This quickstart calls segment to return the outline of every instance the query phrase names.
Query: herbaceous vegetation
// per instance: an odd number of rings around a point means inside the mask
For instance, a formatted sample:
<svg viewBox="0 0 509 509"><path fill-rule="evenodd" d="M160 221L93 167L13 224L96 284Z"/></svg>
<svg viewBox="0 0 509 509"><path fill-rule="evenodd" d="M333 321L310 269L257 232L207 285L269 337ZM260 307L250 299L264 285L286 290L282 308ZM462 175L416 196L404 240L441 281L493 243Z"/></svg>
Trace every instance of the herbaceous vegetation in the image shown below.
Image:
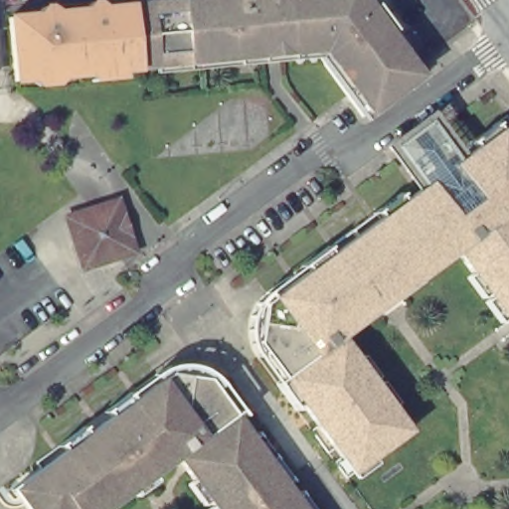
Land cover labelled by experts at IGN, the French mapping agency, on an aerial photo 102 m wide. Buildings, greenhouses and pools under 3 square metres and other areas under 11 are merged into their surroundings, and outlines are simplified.
<svg viewBox="0 0 509 509"><path fill-rule="evenodd" d="M408 296L406 304L408 320L416 326L418 338L433 354L433 366L437 370L451 368L459 361L459 356L465 350L481 342L499 324L499 320L483 302L483 298L479 298L479 294L469 284L469 270L465 268L463 260L455 260L451 266L435 274L418 292Z"/></svg>
<svg viewBox="0 0 509 509"><path fill-rule="evenodd" d="M119 372L119 376L97 394L91 394L89 398L84 396L82 400L87 402L93 414L111 396L129 388L131 384L135 386L135 390L139 390L151 378L155 378L155 374L153 364L147 356L141 360L131 370Z"/></svg>
<svg viewBox="0 0 509 509"><path fill-rule="evenodd" d="M458 113L475 139L493 131L503 121L509 125L509 109L503 111L497 103L497 97L493 97L487 103L475 99Z"/></svg>
<svg viewBox="0 0 509 509"><path fill-rule="evenodd" d="M340 211L328 215L326 223L318 223L314 231L311 230L253 276L266 290L276 290L302 264L312 262L324 251L332 247L346 249L348 245L352 245L356 239L348 237L348 231L356 227L354 221L370 217L372 211L386 209L386 199L390 199L404 183L410 183L404 177L398 163L398 171L392 177L370 189L366 195L356 195L346 201L346 205Z"/></svg>
<svg viewBox="0 0 509 509"><path fill-rule="evenodd" d="M70 119L70 115L78 113L91 137L97 141L101 151L109 157L109 161L117 167L121 175L129 165L139 165L139 179L143 187L163 207L167 207L167 221L177 221L191 209L195 209L199 203L203 203L207 197L211 197L215 191L223 189L235 177L253 167L256 161L268 155L272 149L276 149L280 143L284 143L290 137L290 133L282 125L284 117L274 109L272 103L268 103L266 93L262 93L260 89L249 89L247 85L239 84L241 87L236 91L189 91L181 95L167 95L163 99L153 101L145 99L141 80L135 76L131 80L117 82L93 82L91 78L84 78L72 80L58 87L44 87L16 82L12 62L2 68L2 72L8 78L10 93L22 95L32 103L34 109L44 111L56 109L56 115L66 121ZM177 139L185 137L191 131L193 123L201 123L209 115L213 115L219 109L221 101L241 97L254 103L262 103L266 107L266 113L270 115L268 135L256 147L227 153L163 157L161 151L165 149L165 145L173 145Z"/></svg>
<svg viewBox="0 0 509 509"><path fill-rule="evenodd" d="M318 181L332 183L334 195L340 195L344 191L342 179L336 171L326 167L318 171Z"/></svg>
<svg viewBox="0 0 509 509"><path fill-rule="evenodd" d="M175 485L175 499L181 495L193 495L191 479L185 473Z"/></svg>
<svg viewBox="0 0 509 509"><path fill-rule="evenodd" d="M64 449L64 443L72 439L76 425L87 418L82 414L80 406L62 416L50 413L46 408L42 408L40 412L34 453L30 465L26 465L26 473L34 473L36 465L50 451Z"/></svg>
<svg viewBox="0 0 509 509"><path fill-rule="evenodd" d="M268 368L268 364L256 358L249 358L249 362L253 366L254 374L264 384L266 392L270 394L278 388L278 380Z"/></svg>
<svg viewBox="0 0 509 509"><path fill-rule="evenodd" d="M348 479L344 491L356 509L410 509L418 493L422 493L425 487L437 483L441 475L435 473L435 469L431 467L433 461L451 459L457 465L461 463L461 455L457 433L457 410L449 400L447 388L441 390L435 394L431 402L427 402L418 394L416 380L429 376L433 368L429 368L420 360L420 356L410 348L408 340L398 332L396 326L388 322L386 316L380 316L362 332L358 332L354 336L354 342L372 362L372 366L394 392L394 396L400 400L400 404L418 427L418 433L404 445L400 445L396 451L386 455L382 465L378 465L368 477Z"/></svg>
<svg viewBox="0 0 509 509"><path fill-rule="evenodd" d="M300 429L304 439L323 461L336 453L334 447L326 443L324 437L316 431L316 424L312 422Z"/></svg>
<svg viewBox="0 0 509 509"><path fill-rule="evenodd" d="M509 344L489 348L479 358L456 371L453 378L447 382L451 388L457 388L463 400L467 402L471 461L479 477L509 477Z"/></svg>
<svg viewBox="0 0 509 509"><path fill-rule="evenodd" d="M14 123L0 123L0 254L10 247L16 247L16 243L22 243L24 235L30 235L34 239L40 223L52 217L58 209L72 207L78 201L78 191L66 175L56 167L52 171L42 171L42 163L46 159L38 151L38 147L24 147L16 143L12 133Z"/></svg>
<svg viewBox="0 0 509 509"><path fill-rule="evenodd" d="M310 99L318 115L334 107L344 97L342 89L330 78L322 62L286 64L290 66L292 78L298 89L304 97Z"/></svg>

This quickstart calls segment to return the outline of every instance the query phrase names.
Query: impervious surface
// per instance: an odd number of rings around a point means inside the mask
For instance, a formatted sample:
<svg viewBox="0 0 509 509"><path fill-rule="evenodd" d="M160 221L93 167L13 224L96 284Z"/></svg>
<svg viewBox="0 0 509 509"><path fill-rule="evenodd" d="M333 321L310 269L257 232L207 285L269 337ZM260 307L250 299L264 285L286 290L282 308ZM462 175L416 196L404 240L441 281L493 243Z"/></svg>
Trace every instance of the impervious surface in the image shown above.
<svg viewBox="0 0 509 509"><path fill-rule="evenodd" d="M435 111L445 109L447 105L453 107L455 115L458 113L475 99L487 103L493 97L497 97L497 103L503 111L509 109L509 0L378 0L386 2L394 10L394 14L404 24L404 38L410 42L420 60L429 68L424 74L427 78L427 89L412 91L410 95L398 95L394 99L384 101L384 113L374 117L372 121L362 121L360 117L356 117L356 113L350 109L350 103L344 97L334 107L318 115L316 119L312 119L308 111L296 101L284 80L282 64L268 66L270 85L278 93L282 109L292 117L292 121L296 121L290 133L290 137L284 143L280 143L276 149L272 149L268 155L256 161L253 167L235 177L223 189L215 191L211 197L207 197L203 203L199 203L195 209L191 209L177 221L167 221L155 223L149 217L147 209L139 209L139 195L131 185L125 187L121 175L117 167L109 161L109 157L101 151L97 141L91 137L78 113L70 115L70 119L66 121L60 129L54 131L56 135L64 135L64 149L68 151L68 155L76 157L74 165L68 169L66 175L78 191L78 201L72 207L58 209L52 217L40 223L34 239L30 235L24 235L22 243L16 243L16 247L10 247L0 254L0 366L14 362L18 368L18 382L10 388L0 388L0 509L22 509L18 505L20 495L14 491L14 483L16 479L20 479L20 475L26 473L26 465L30 465L34 453L40 412L42 408L46 408L50 413L68 398L78 400L80 406L82 414L87 418L93 414L87 402L82 400L84 396L84 388L113 366L117 366L121 360L125 360L129 354L131 342L127 340L127 336L133 328L143 326L157 342L161 342L147 356L153 364L155 374L165 372L167 368L173 368L177 364L205 364L219 370L243 396L243 400L253 412L251 424L254 429L262 435L264 443L268 445L276 461L286 469L286 473L294 479L296 487L308 499L306 509L356 509L344 491L348 479L342 477L342 471L338 469L336 453L323 461L304 439L300 429L312 422L312 418L306 412L296 412L290 402L286 402L284 394L278 388L270 394L266 392L264 384L254 374L253 366L249 362L249 358L256 358L249 348L249 318L254 304L264 302L262 294L266 290L253 276L249 276L243 270L233 270L231 258L235 253L247 251L260 258L270 253L276 243L284 243L300 227L318 219L322 211L326 213L342 201L346 201L356 195L356 187L364 179L368 179L370 175L378 175L378 171L386 163L392 163L396 159L396 149L390 141L402 141L408 131L418 127L420 123L429 121L429 117ZM334 195L332 183L318 181L318 171L326 167L336 171L342 179L344 191L340 195ZM135 243L139 249L145 251L145 254L127 256L123 262L115 260L91 270L84 270L68 229L68 213L70 209L74 213L80 213L85 209L119 199L123 201L125 211L129 215L135 233ZM201 254L209 256L215 268L221 268L223 276L213 284L203 284L195 270L195 260ZM125 268L143 270L139 278L139 288L131 284L119 284L117 274Z"/></svg>
<svg viewBox="0 0 509 509"><path fill-rule="evenodd" d="M4 30L10 30L10 18L16 14L44 10L50 4L78 8L89 6L95 0L0 0L0 34Z"/></svg>
<svg viewBox="0 0 509 509"><path fill-rule="evenodd" d="M509 324L499 324L481 342L465 350L459 356L459 361L451 368L437 370L433 366L433 354L418 338L416 326L408 320L406 304L386 316L388 322L396 326L398 332L408 340L410 348L420 356L420 360L429 368L433 368L429 376L431 382L441 390L447 388L449 400L457 410L457 433L461 455L461 463L457 465L453 471L449 471L449 475L441 475L437 483L425 487L422 493L418 493L410 509L425 509L437 495L461 493L467 497L467 503L471 505L473 497L481 491L509 487L509 477L479 477L471 461L467 402L463 400L457 388L451 388L447 382L453 378L456 371L479 358L489 348L509 344Z"/></svg>
<svg viewBox="0 0 509 509"><path fill-rule="evenodd" d="M266 107L262 103L254 103L241 97L221 101L219 109L213 115L209 115L201 123L193 123L191 131L185 137L177 139L173 145L165 145L165 149L161 151L163 157L227 153L256 147L268 135L270 115L266 113Z"/></svg>

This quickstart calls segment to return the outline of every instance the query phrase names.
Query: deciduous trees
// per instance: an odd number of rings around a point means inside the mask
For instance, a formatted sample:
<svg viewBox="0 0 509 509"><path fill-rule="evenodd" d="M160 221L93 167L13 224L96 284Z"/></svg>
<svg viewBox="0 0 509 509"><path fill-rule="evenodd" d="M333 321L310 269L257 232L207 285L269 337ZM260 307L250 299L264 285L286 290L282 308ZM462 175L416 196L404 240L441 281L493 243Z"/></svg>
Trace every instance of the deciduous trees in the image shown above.
<svg viewBox="0 0 509 509"><path fill-rule="evenodd" d="M167 95L167 74L143 72L135 76L141 80L145 99L153 101L163 99Z"/></svg>
<svg viewBox="0 0 509 509"><path fill-rule="evenodd" d="M427 402L431 402L435 394L441 390L431 382L429 376L416 380L418 394Z"/></svg>
<svg viewBox="0 0 509 509"><path fill-rule="evenodd" d="M213 284L223 276L221 268L215 268L209 256L201 254L195 260L195 270L203 284Z"/></svg>
<svg viewBox="0 0 509 509"><path fill-rule="evenodd" d="M509 509L509 487L481 491L473 497L471 505L467 503L467 497L461 493L437 495L425 509Z"/></svg>
<svg viewBox="0 0 509 509"><path fill-rule="evenodd" d="M18 368L14 362L0 366L0 388L10 388L18 382Z"/></svg>
<svg viewBox="0 0 509 509"><path fill-rule="evenodd" d="M42 141L46 127L54 131L60 129L66 121L56 115L56 109L44 111L42 121L32 121L26 115L24 119L14 123L12 133L16 143L24 147L38 147L38 151L46 159L42 163L42 171L52 171L56 167L66 175L68 169L74 165L76 157L68 155L68 151L64 149L52 147L50 143Z"/></svg>
<svg viewBox="0 0 509 509"><path fill-rule="evenodd" d="M219 82L227 85L236 84L236 76L229 76L227 68L207 70L209 87L217 87Z"/></svg>
<svg viewBox="0 0 509 509"><path fill-rule="evenodd" d="M129 354L141 360L147 356L161 342L157 342L143 326L133 328L127 336L127 340L131 342Z"/></svg>
<svg viewBox="0 0 509 509"><path fill-rule="evenodd" d="M231 258L233 270L243 270L249 276L253 276L254 266L260 262L260 258L247 251L235 253Z"/></svg>
<svg viewBox="0 0 509 509"><path fill-rule="evenodd" d="M181 495L175 499L169 507L163 509L207 509L193 495Z"/></svg>
<svg viewBox="0 0 509 509"><path fill-rule="evenodd" d="M125 268L117 274L119 284L131 284L139 288L139 278L143 270Z"/></svg>
<svg viewBox="0 0 509 509"><path fill-rule="evenodd" d="M431 467L435 469L435 473L441 475L449 475L449 471L453 471L457 465L451 459L433 461Z"/></svg>

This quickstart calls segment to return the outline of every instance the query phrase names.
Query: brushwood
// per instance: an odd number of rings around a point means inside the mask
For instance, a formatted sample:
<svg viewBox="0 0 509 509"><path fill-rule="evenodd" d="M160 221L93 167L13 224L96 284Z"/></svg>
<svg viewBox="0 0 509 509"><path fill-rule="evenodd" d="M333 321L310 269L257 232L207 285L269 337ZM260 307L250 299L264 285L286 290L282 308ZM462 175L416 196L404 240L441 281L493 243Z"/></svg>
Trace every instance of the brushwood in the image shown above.
<svg viewBox="0 0 509 509"><path fill-rule="evenodd" d="M119 376L119 372L131 370L141 360L129 354L125 360L121 360L117 366L113 366L84 388L84 396L89 398L91 394L97 394Z"/></svg>
<svg viewBox="0 0 509 509"><path fill-rule="evenodd" d="M50 413L62 416L80 406L78 400L68 398Z"/></svg>
<svg viewBox="0 0 509 509"><path fill-rule="evenodd" d="M368 179L364 179L356 187L356 195L366 195L370 189L392 177L398 171L398 163L396 159L392 163L386 163L378 171L378 175L370 175Z"/></svg>
<svg viewBox="0 0 509 509"><path fill-rule="evenodd" d="M129 165L121 175L125 187L131 185L139 195L139 209L147 209L149 217L155 223L167 221L167 207L163 207L143 187L139 179L139 165Z"/></svg>
<svg viewBox="0 0 509 509"><path fill-rule="evenodd" d="M236 84L227 85L219 82L217 87L209 87L207 70L167 74L167 95L181 95L189 91L236 91L241 87L239 84L247 85L249 89L260 89L262 93L266 93L268 103L272 103L274 109L284 117L282 125L290 133L296 121L292 121L292 117L282 109L278 93L270 85L268 66L254 68L253 80L237 81Z"/></svg>
<svg viewBox="0 0 509 509"><path fill-rule="evenodd" d="M298 89L292 78L290 66L286 64L282 64L284 80L296 101L308 111L312 119L316 119L318 115L310 99L304 97Z"/></svg>
<svg viewBox="0 0 509 509"><path fill-rule="evenodd" d="M276 243L270 253L260 258L260 262L254 266L253 276L311 230L314 231L318 223L326 223L328 215L340 211L346 205L346 201L342 201L326 213L322 211L318 219L300 227L284 243Z"/></svg>

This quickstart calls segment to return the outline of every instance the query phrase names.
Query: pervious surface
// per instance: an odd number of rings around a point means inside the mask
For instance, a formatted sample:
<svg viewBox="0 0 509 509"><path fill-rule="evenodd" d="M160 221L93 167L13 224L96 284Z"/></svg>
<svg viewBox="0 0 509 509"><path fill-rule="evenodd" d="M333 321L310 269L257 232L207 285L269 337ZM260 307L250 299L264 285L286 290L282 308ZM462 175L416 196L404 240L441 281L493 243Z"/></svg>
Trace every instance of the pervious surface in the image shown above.
<svg viewBox="0 0 509 509"><path fill-rule="evenodd" d="M163 475L163 485L139 493L137 505L141 509L163 509L169 507L175 499L175 485L185 473L177 467L177 471L169 471Z"/></svg>
<svg viewBox="0 0 509 509"><path fill-rule="evenodd" d="M50 143L52 147L64 149L64 135L56 135L54 131L46 127L42 141Z"/></svg>
<svg viewBox="0 0 509 509"><path fill-rule="evenodd" d="M14 123L24 119L26 115L32 121L42 121L44 111L34 109L32 103L22 95L10 93L8 78L2 72L2 68L12 62L10 30L4 30L0 34L0 123Z"/></svg>

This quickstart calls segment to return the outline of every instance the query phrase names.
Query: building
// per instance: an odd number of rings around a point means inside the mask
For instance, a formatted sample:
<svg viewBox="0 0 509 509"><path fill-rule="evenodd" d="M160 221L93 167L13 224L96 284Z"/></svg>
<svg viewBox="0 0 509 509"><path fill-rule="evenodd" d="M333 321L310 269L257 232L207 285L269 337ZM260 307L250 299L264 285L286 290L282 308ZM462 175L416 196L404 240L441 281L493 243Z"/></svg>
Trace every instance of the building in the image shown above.
<svg viewBox="0 0 509 509"><path fill-rule="evenodd" d="M374 117L384 113L384 101L394 99L398 95L410 95L412 91L427 89L427 78L424 74L429 68L420 60L410 42L404 38L404 24L394 14L394 10L386 2L378 0L95 0L89 6L78 8L50 4L44 10L16 14L10 18L10 30L12 62L16 82L44 87L58 87L72 80L84 78L91 78L93 82L117 82L131 80L135 76L143 72L167 74L207 70L227 68L229 76L236 76L236 84L237 81L253 80L254 68L268 66L282 64L286 64L322 62L330 78L342 89L344 97L350 103L350 109L356 113L356 117L360 117L362 121L372 121Z"/></svg>
<svg viewBox="0 0 509 509"><path fill-rule="evenodd" d="M469 270L469 284L479 294L479 298L483 298L483 302L499 320L499 324L509 324L509 125L503 121L493 131L475 139L458 113L455 115L453 107L447 105L445 109L435 111L429 117L429 121L420 123L418 127L408 131L402 141L390 141L396 149L396 159L398 163L404 177L410 183L404 183L390 199L386 199L386 209L372 211L370 217L354 221L356 227L348 231L348 237L356 239L352 245L348 245L346 249L332 247L324 251L312 262L302 264L276 290L266 290L262 294L264 302L254 304L249 318L249 348L256 358L268 364L268 368L278 380L278 388L284 394L286 402L290 402L296 412L306 412L312 418L312 422L316 424L316 431L324 437L326 443L334 447L336 453L338 469L342 471L342 477L348 479L368 477L378 465L382 465L386 455L396 451L400 445L404 445L418 433L418 427L400 404L400 400L394 396L394 392L372 366L372 362L354 342L354 336L358 332L362 332L380 316L386 316L406 304L408 296L418 292L435 274L451 266L455 260L463 260L465 268Z"/></svg>
<svg viewBox="0 0 509 509"><path fill-rule="evenodd" d="M139 249L135 243L135 233L129 215L125 211L123 201L119 199L85 209L80 213L74 213L70 209L68 213L68 229L84 270L91 270L115 260L123 262L127 256L145 254L145 251Z"/></svg>
<svg viewBox="0 0 509 509"><path fill-rule="evenodd" d="M253 412L243 400L243 396L219 370L205 364L177 364L173 368L167 368L165 372L155 374L155 378L151 378L139 390L135 390L135 386L131 384L129 388L111 396L93 414L87 418L76 425L72 439L64 443L64 449L50 451L36 465L34 473L26 473L20 475L20 479L16 479L14 483L14 491L20 495L18 505L22 509L141 509L137 505L139 493L163 485L163 475L169 471L177 471L177 467L185 473L191 479L193 495L207 509L306 509L308 499L296 487L294 479L286 473L286 469L276 461L268 445L264 443L262 435L254 429L251 424Z"/></svg>

